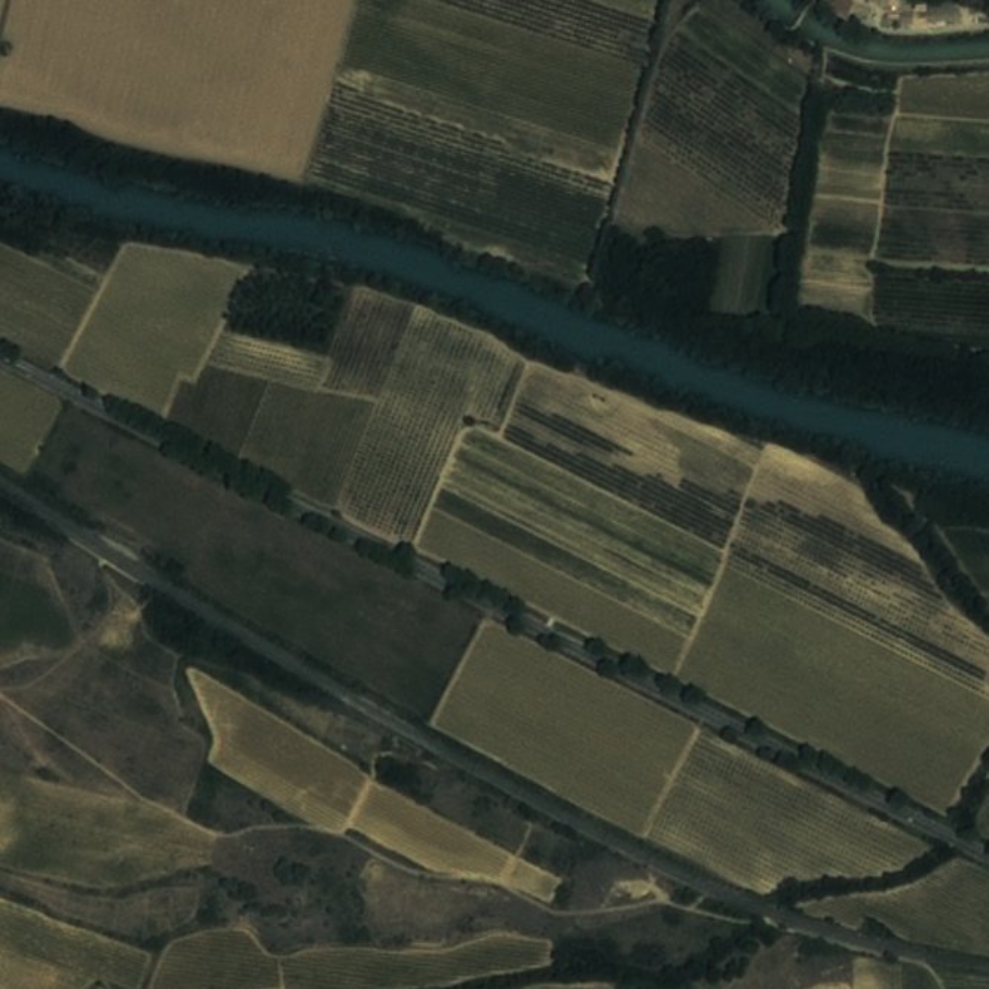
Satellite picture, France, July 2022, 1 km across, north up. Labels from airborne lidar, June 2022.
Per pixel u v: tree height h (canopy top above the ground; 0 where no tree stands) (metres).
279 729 0
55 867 0
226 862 0
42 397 0
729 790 0
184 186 13
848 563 0
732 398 0
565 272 0
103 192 0
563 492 0
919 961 0
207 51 0
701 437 0
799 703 0
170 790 0
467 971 0
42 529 7
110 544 0
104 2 0
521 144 0
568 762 0
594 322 0
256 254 12
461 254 16
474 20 0
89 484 0
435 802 0
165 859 0
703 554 0
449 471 0
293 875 10
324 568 0
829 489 0
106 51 0
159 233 12
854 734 0
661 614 0
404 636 0
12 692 0
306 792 0
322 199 13
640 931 0
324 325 18
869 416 0
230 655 10
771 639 0
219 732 0
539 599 0
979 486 17
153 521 0
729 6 0
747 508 0
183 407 0
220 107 0
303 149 0
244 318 18
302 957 0
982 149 0
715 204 0
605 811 0
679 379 0
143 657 0
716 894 0
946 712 0
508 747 0
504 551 0
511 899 0
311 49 0
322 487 0
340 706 0
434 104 0
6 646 0
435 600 0
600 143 0
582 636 0
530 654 0
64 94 0
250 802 5
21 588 0
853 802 0
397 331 0
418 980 0
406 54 0
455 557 0
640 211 0
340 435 0
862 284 0
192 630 15
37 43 0
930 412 20
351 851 0
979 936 0
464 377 0
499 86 0
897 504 18
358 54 0
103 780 0
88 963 0
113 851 0
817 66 12
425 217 0
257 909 11
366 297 0
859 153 0
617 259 16
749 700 0
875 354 11
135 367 0
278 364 0
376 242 0
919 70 7
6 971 0
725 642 0
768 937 13
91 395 21
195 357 0
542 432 0
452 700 0
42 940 0
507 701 0
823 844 0
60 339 0
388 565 22
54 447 0
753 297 0
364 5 0
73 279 0
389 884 0
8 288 0
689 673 0
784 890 14
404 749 0
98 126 0
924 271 10
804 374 18
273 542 0
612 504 0
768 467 0
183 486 0
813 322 31
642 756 0
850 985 0
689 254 14
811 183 20
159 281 0
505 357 0
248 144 0
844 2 0
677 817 0
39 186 0
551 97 0
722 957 10
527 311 0
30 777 0
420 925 0
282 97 0
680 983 10
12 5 0
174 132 0
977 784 11
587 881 0
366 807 0
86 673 0
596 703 0
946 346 23
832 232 0
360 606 0
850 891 11
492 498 0
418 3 0
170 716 0
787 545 0
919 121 0
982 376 23
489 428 0
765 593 0
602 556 0
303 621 0
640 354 0
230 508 0
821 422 0
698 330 19
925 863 10
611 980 11
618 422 0
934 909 0
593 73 0
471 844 0
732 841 0
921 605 0
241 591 0
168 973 0
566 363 19
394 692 0
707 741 0
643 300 19
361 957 0
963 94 0
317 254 0
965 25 0
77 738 0
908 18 0
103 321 0
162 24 0
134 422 20
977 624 7
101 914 0
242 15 0
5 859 0
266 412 0
